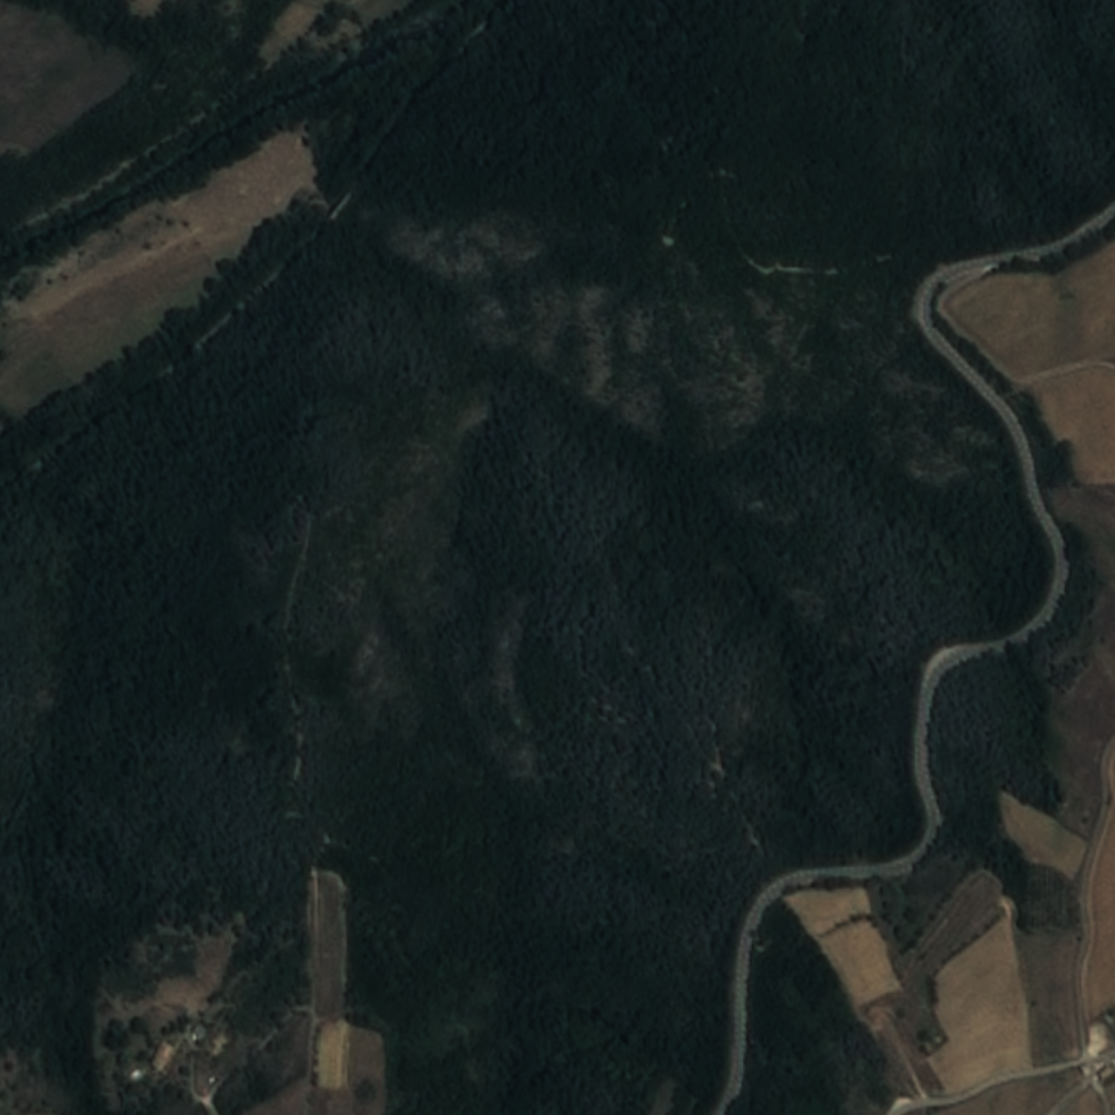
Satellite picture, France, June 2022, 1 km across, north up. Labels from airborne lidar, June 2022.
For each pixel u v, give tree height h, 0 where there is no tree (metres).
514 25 9
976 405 8
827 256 7
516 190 7
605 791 9
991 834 8
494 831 15
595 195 8
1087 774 0
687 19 17
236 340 6
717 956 7
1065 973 0
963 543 9
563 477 13
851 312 5
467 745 14
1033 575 10
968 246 12
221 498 11
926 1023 0
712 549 7
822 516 8
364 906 12
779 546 9
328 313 11
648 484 13
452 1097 13
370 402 10
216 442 12
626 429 12
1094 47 12
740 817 12
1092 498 0
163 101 14
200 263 0
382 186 11
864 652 7
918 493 10
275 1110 0
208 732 8
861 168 15
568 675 10
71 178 7
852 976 0
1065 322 0
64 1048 19
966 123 12
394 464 9
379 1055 0
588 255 7
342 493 13
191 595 15
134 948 12
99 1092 8
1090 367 0
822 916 0
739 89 7
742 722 8
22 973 17
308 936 7
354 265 12
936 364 7
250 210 0
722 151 12
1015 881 12
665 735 16
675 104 15
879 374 7
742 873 8
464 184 8
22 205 7
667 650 16
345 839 9
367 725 7
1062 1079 0
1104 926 0
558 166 11
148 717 15
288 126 7
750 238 8
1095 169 15
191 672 9
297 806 8
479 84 8
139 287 0
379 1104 0
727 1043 10
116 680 12
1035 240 15
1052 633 8
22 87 0
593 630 15
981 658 9
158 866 16
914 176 9
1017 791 10
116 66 0
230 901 9
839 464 8
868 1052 9
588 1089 14
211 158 20
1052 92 13
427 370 11
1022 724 10
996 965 0
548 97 14
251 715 13
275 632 9
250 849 14
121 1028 13
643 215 9
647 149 12
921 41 12
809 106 13
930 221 9
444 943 10
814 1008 10
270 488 10
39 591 10
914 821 12
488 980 7
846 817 10
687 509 10
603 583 9
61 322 0
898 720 11
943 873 0
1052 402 0
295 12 0
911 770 12
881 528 12
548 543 7
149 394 14
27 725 9
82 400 26
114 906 13
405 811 10
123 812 17
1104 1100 0
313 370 14
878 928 6
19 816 18
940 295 6
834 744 5
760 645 15
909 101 9
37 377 0
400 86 15
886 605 7
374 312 9
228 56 11
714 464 6
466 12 17
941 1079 0
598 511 10
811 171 12
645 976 12
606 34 12
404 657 9
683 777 12
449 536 7
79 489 17
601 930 10
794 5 13
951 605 17
